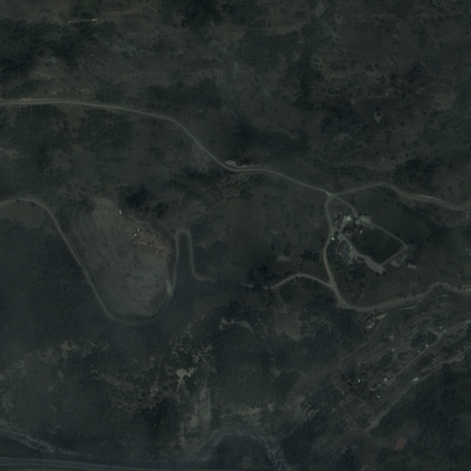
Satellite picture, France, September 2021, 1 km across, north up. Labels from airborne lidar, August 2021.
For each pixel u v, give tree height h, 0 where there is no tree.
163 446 7
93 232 0
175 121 0
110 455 11
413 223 0
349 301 0
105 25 7
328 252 8
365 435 0
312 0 7
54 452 0
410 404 11
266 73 13
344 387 0
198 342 12
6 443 9
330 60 0
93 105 0
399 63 0
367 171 7
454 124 14
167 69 0
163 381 14
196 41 10
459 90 11
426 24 11
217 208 0
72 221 0
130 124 14
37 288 14
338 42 8
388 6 0
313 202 0
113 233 0
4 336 11
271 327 11
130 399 8
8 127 12
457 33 0
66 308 14
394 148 0
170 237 0
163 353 10
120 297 0
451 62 0
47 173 8
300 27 0
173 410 12
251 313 11
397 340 0
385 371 9
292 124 0
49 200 7
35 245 11
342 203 0
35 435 10
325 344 6
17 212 0
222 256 11
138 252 0
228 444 10
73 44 9
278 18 0
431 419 11
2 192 19
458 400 12
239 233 0
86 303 13
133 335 12
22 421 15
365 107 0
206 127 0
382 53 0
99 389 16
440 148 0
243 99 0
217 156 0
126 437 15
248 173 0
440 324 0
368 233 0
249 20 12
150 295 0
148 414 9
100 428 15
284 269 0
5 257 13
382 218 0
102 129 18
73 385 11
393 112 0
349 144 6
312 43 8
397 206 11
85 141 7
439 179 0
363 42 0
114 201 0
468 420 0
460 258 7
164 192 0
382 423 12
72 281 12
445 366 12
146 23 0
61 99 0
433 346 0
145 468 0
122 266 0
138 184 0
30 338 13
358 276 6
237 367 9
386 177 6
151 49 7
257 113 0
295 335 0
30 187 12
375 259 9
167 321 14
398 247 0
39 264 15
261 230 0
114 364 15
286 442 6
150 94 12
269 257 0
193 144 0
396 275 0
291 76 6
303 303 0
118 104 17
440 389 8
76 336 11
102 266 0
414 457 9
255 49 15
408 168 12
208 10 14
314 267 0
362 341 7
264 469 0
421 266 0
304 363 9
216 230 0
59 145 12
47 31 10
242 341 15
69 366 10
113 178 8
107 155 0
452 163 0
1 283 12
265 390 13
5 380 9
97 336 9
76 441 10
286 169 0
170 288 0
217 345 17
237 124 7
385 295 0
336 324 9
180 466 0
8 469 0
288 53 11
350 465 6
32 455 0
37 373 12
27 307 14
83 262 0
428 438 11
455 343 6
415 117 0
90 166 0
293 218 0
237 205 0
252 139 19
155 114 0
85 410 20
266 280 9
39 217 0
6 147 8
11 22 9
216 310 11
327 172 10
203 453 0
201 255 8
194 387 6
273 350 16
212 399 11
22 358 9
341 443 0
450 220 0
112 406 10
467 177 0
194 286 9
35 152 13
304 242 0
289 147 16
